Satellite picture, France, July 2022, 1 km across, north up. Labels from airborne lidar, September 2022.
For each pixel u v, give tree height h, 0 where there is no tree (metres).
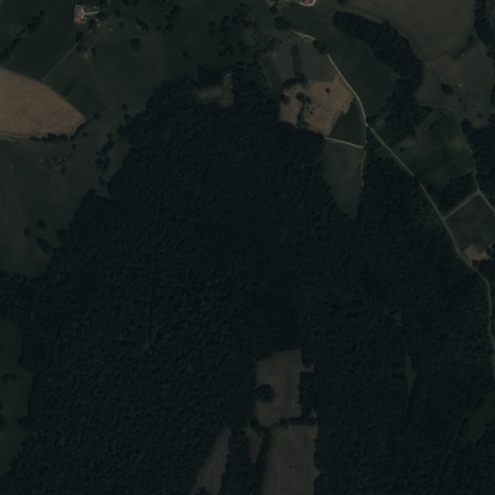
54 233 0
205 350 23
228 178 22
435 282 21
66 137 13
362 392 28
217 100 0
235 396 27
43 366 22
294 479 0
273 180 30
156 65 0
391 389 25
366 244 21
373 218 21
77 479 21
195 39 0
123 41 0
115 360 22
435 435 20
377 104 0
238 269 20
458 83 0
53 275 21
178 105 0
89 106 0
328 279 28
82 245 24
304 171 28
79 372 11
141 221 24
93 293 22
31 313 29
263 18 0
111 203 20
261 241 23
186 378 14
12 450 0
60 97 0
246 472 25
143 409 21
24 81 0
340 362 29
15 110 0
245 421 25
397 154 0
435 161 0
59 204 0
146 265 24
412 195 14
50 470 22
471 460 20
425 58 0
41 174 0
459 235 0
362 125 0
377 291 12
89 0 0
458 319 7
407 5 0
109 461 16
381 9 0
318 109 0
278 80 0
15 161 0
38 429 20
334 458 27
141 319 23
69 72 0
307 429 0
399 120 12
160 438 19
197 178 25
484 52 0
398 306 19
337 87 0
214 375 16
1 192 0
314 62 0
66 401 17
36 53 0
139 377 24
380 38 23
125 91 0
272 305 25
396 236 28
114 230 28
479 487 30
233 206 24
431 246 14
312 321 24
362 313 28
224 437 0
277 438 0
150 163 24
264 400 17
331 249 25
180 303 22
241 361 28
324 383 23
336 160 0
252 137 25
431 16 0
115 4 0
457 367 11
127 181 26
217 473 0
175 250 21
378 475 29
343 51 0
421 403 24
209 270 22
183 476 15
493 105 9
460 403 21
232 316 23
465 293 14
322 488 22
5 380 9
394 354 24
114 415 19
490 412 0
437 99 0
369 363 26
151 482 21
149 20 0
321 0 0
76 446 18
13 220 0
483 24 23
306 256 31
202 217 23
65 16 0
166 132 26
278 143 23
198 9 0
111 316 20
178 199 24
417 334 23
